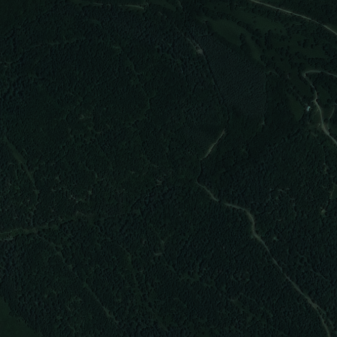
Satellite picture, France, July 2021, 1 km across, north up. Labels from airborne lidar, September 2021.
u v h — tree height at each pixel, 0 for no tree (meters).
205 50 18
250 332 10
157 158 15
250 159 17
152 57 14
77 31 13
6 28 21
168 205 17
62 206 15
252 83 22
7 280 22
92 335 11
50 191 14
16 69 15
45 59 19
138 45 12
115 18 20
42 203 15
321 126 0
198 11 23
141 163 11
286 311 23
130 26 26
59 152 15
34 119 15
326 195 25
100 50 15
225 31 0
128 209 18
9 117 16
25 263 15
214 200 8
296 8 6
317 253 24
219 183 22
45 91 20
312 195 18
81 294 20
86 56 23
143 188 12
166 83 16
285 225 26
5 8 16
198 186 12
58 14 15
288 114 24
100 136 16
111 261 14
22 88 18
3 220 23
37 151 16
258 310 15
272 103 20
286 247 21
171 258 15
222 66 22
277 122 16
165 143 17
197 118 12
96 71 16
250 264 19
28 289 18
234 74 21
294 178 20
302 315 19
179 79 19
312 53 0
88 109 14
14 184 10
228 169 24
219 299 15
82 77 19
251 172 25
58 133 17
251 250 26
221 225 15
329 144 15
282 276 18
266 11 7
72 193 17
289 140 14
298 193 22
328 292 22
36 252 21
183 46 20
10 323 0
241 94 20
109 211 20
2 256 12
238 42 0
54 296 21
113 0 22
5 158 22
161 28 18
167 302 14
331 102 18
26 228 21
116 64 15
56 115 17
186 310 8
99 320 19
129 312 8
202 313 15
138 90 10
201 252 18
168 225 7
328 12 19
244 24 17
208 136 18
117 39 18
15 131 13
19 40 17
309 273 26
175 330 19
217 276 11
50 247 18
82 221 20
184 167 13
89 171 7
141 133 13
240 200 20
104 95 10
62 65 18
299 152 22
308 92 0
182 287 11
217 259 14
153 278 16
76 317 16
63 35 7
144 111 11
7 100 14
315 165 20
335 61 24
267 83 16
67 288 17
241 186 20
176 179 11
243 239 25
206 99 23
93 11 21
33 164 12
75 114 16
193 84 22
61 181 11
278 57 0
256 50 0
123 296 15
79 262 16
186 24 21
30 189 15
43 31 10
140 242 8
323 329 12
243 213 14
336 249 26
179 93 18
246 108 24
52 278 19
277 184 23
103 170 14
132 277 10
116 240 16
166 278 17
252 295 20
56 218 21
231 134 20
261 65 21
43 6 17
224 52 24
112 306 11
